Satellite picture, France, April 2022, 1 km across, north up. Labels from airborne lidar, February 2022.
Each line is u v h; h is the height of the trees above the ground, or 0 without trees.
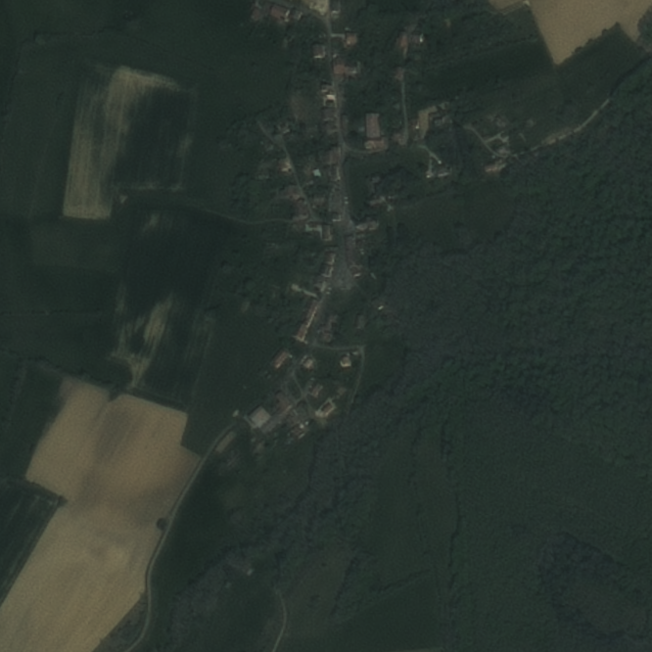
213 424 0
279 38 0
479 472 20
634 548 11
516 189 26
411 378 27
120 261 0
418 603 0
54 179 0
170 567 0
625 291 11
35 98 0
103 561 0
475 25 9
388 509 0
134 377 0
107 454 0
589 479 18
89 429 0
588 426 31
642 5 0
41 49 0
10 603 0
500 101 0
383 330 12
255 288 8
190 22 0
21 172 0
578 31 0
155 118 0
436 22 10
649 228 22
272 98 0
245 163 0
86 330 0
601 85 0
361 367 0
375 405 25
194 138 0
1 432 0
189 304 0
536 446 20
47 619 0
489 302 31
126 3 0
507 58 0
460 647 22
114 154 0
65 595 0
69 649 0
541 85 0
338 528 22
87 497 0
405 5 0
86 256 0
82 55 0
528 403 31
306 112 0
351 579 17
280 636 0
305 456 0
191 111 0
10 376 0
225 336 0
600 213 28
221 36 0
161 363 0
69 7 0
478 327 21
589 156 29
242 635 0
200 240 0
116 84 0
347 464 12
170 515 0
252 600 0
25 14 0
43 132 0
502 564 19
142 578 0
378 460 8
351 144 15
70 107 0
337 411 0
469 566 16
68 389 0
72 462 0
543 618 20
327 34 0
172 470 0
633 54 0
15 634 0
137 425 0
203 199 0
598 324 26
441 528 0
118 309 0
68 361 0
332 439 24
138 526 0
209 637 0
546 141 0
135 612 0
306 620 0
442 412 22
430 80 0
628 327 24
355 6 0
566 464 17
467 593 18
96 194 0
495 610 17
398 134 0
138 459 0
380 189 20
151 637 0
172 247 0
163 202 0
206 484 0
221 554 0
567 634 21
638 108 17
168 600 0
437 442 0
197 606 23
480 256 26
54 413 0
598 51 0
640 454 28
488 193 0
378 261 19
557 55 0
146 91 0
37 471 0
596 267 25
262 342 0
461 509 12
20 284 0
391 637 0
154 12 0
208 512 0
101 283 0
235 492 0
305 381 0
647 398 24
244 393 0
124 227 0
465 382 26
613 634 10
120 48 0
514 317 29
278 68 0
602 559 28
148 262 0
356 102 0
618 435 30
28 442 0
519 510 18
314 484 19
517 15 0
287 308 7
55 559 0
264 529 8
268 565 0
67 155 0
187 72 0
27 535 0
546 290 32
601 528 17
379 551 0
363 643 0
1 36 0
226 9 0
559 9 0
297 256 7
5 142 0
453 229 0
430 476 0
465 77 0
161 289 0
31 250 0
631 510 19
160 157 0
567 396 25
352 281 0
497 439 20
